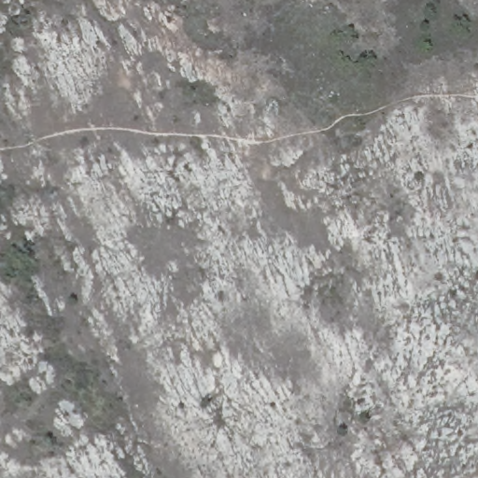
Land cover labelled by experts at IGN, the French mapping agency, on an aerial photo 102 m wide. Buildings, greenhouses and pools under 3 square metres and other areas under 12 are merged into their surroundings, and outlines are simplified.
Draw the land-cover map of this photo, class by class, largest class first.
<instances>
[{"label":"bare soil","instance_id":"1","mask_svg":"<svg viewBox=\"0 0 478 478\"><path fill-rule=\"evenodd\" d=\"M101 15L119 28L121 41L114 47L110 45L108 37L99 26H91L86 6H80L78 9V21L69 22L67 26H62V17L58 13H54L52 17H45L43 11L37 13V17L32 21L34 37L30 41H22L21 37L13 41L17 60L13 63V71L7 73L4 80H0V183L7 181L11 185H34L35 181H39L41 185L49 183L52 187H60V190L52 194H43L41 198L37 194L28 200L15 198L11 205V217L15 224L30 222L34 224V228L26 232L28 241L24 245L11 243V248L19 254H35L39 258V273L32 278L35 291L45 304L49 316L65 317L60 334L62 338L54 344L45 340L41 334L24 336L26 321L19 312L11 314L6 302L11 295V288L0 278V385H13L22 373L30 379V387L34 392H43L50 388V383L54 381V368L49 362L37 357L45 349L56 351L65 344L67 355H71L75 360L84 351L103 349L106 357L112 358L110 372L114 375V383H108L106 390L116 392L123 398L134 429L129 437H125V446L121 448L116 443H108L105 435H99L97 439L86 437L84 420L73 409L75 403L62 400L56 407L54 428L60 435H69L73 441L65 456L43 459L39 465H19L4 454L0 444V478H478V54L472 56V50L467 49L463 54V60L446 62L439 60L437 56H431L424 62L405 63V88L390 97V106L394 110L390 112L387 123L379 127V136H375L373 146L353 149L351 153L340 155L334 153V146L329 144V138L325 133H319L316 125L301 129L291 125L289 119L278 116V103L286 99V88L280 84H273L271 77L267 75V71L273 67V60L269 54L261 56L243 50L237 52L235 62H222L220 50H202L190 41L185 30L181 28L183 19L177 17L176 7H161L153 0H93ZM181 77L187 78L189 82H209L215 88L218 105H200L196 112L192 108H185L183 101H189V97L183 95L181 88L174 86V82ZM24 431L13 429L6 437H0V443L15 446L21 443Z\"/></svg>","mask_w":478,"mask_h":478},{"label":"herbaceous vegetation","instance_id":"2","mask_svg":"<svg viewBox=\"0 0 478 478\"><path fill-rule=\"evenodd\" d=\"M7 9L22 11V7H34L37 13L43 11L45 17H52L54 13H58L62 17V26H67L69 22L78 21V9L80 6H86L91 26H99L108 37L110 45L114 47L121 41L119 28L101 15L93 0H4ZM161 7H176L177 17L183 19L181 28L185 30L190 41L202 50H220L222 62H235L237 52L243 50L261 56L269 54L273 60V67L267 71V75L271 77L273 84H280L286 88V99L278 103V116L289 119L291 125L301 129L316 125L319 133H325L329 138V144L334 146V153L340 155L351 153L353 149L373 146L375 136H379V127L387 123L390 112L394 110L390 106V97L405 88V63L424 62L431 56H437L439 60L446 62L463 60V54L467 49L472 50V56L478 54V0H153ZM174 86L181 88L183 95L189 97V101H183L185 108H192L196 112L200 105H218L215 88L209 82H189L187 78L181 77L174 82Z\"/></svg>","mask_w":478,"mask_h":478},{"label":"brushwood","instance_id":"3","mask_svg":"<svg viewBox=\"0 0 478 478\"><path fill-rule=\"evenodd\" d=\"M37 17V13L34 7H22V11L7 9L4 0H0V80H4L7 73L13 71V63L17 60L13 41L21 37L22 41H30L34 37L32 21ZM60 190V187H52L49 183L41 185L39 181H35L34 185H11L7 181L0 183V278L11 288V295L6 302L11 314L19 312L26 321L24 336L41 334L45 340L54 344L62 338L60 334L65 317L49 316L45 304L35 291L32 278L39 273V258L35 254H19L11 248V243L24 245L28 241L26 232L34 228V224L30 222L15 224L11 217V205L15 198L28 200L37 194L41 198L43 194H52ZM37 357L49 362L54 368V381L50 383V388L43 392H34L30 387V379L22 373L13 385H0V437H6L13 429L24 431L21 443L15 446L0 443V444L4 454L19 465H39L43 459L65 456L73 441L69 435H60L54 428L56 407L62 400L75 403L73 409L84 420L86 437L97 439L99 435H105L108 443H116L121 448L125 446V437H129L134 429L123 398L116 392L106 390L108 383H114V375L110 372L112 358L106 357L103 349L84 351L75 360L71 355H67L65 344L56 351L45 349Z\"/></svg>","mask_w":478,"mask_h":478}]
</instances>
